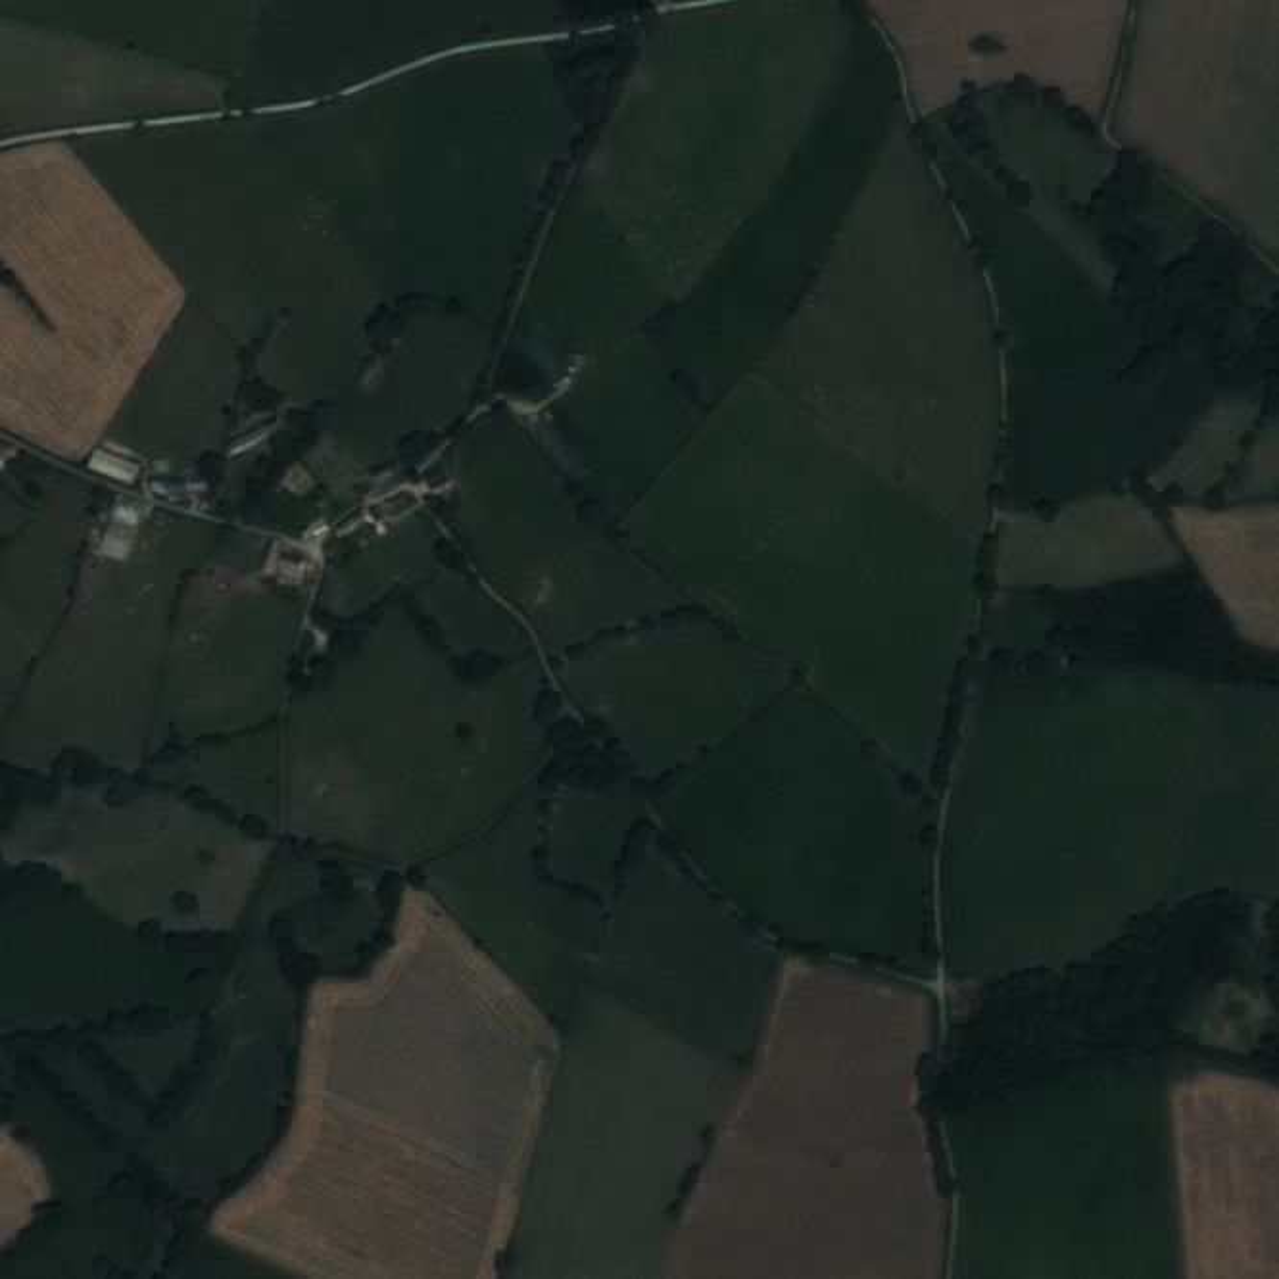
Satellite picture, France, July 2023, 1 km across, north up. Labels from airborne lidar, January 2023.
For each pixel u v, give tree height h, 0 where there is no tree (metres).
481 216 0
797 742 0
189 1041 0
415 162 0
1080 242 0
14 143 0
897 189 0
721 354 0
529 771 0
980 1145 0
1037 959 0
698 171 0
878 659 0
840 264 0
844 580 0
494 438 0
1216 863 0
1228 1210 0
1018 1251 0
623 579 0
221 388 0
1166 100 0
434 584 0
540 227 7
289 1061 9
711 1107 0
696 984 0
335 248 0
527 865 0
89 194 0
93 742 0
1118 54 0
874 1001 0
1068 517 0
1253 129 0
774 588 0
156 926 12
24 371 0
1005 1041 7
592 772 11
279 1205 0
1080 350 0
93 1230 0
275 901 0
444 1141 0
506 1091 0
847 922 0
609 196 0
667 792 16
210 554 0
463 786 0
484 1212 0
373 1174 0
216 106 0
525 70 0
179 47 0
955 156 0
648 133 0
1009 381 0
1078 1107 0
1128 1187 0
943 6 0
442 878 0
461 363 0
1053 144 0
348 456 0
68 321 0
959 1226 0
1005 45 0
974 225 0
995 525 0
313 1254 0
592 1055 0
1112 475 0
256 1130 0
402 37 0
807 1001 0
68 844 0
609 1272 0
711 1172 0
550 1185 0
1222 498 16
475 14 0
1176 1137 0
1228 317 5
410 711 0
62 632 0
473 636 0
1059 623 0
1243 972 12
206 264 0
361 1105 0
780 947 12
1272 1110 0
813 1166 0
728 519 0
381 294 0
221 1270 0
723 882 0
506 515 0
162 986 0
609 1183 0
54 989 0
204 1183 0
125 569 0
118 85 0
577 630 0
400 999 0
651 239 0
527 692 0
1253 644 0
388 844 0
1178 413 0
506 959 0
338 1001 0
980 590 14
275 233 0
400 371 0
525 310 0
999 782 0
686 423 0
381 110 0
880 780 0
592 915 0
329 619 8
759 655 0
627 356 0
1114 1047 15
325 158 0
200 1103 0
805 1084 0
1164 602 6
